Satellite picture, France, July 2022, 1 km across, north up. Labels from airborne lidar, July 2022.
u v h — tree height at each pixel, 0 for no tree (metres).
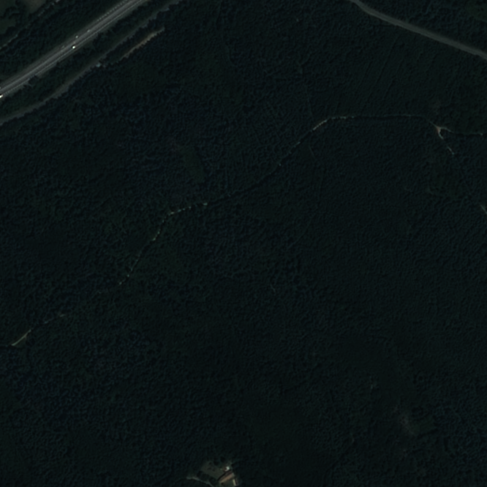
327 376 13
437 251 22
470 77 14
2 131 13
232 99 10
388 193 15
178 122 26
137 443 10
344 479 11
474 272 20
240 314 11
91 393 6
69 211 8
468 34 18
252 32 18
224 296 13
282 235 26
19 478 10
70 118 16
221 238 21
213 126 24
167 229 7
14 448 13
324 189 13
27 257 28
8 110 7
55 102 14
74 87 12
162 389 18
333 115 7
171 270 8
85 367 12
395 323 13
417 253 21
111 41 10
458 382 10
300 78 14
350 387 9
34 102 7
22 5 15
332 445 17
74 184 10
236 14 11
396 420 9
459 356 15
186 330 10
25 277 24
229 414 14
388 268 15
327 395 11
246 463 15
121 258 7
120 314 8
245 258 16
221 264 16
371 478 15
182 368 15
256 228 15
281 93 15
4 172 27
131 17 11
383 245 11
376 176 16
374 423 15
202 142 28
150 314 9
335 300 8
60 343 11
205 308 12
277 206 13
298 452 14
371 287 14
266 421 12
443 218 22
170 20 21
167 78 13
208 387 11
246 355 13
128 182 26
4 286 13
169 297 12
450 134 20
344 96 11
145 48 12
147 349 27
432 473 15
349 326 14
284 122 16
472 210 24
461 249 17
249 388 12
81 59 18
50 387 23
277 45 11
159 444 12
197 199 22
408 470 12
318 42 15
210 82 8
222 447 7
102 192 25
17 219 20
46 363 13
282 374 19
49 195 21
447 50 10
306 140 10
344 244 14
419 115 9
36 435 16
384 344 13
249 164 17
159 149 24
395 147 12
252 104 13
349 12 25
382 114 11
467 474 23
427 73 7
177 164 28
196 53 18
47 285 11
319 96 14
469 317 17
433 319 14
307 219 14
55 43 12
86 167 21
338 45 9
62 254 28
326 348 12
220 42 14
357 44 9
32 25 13
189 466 16
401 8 23
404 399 12
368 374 10
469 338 13
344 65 12
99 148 20
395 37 11
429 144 16
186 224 14
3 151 22
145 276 6
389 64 10
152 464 11
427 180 16
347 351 19
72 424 25
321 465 11
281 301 10
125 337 9
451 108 10
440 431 17
